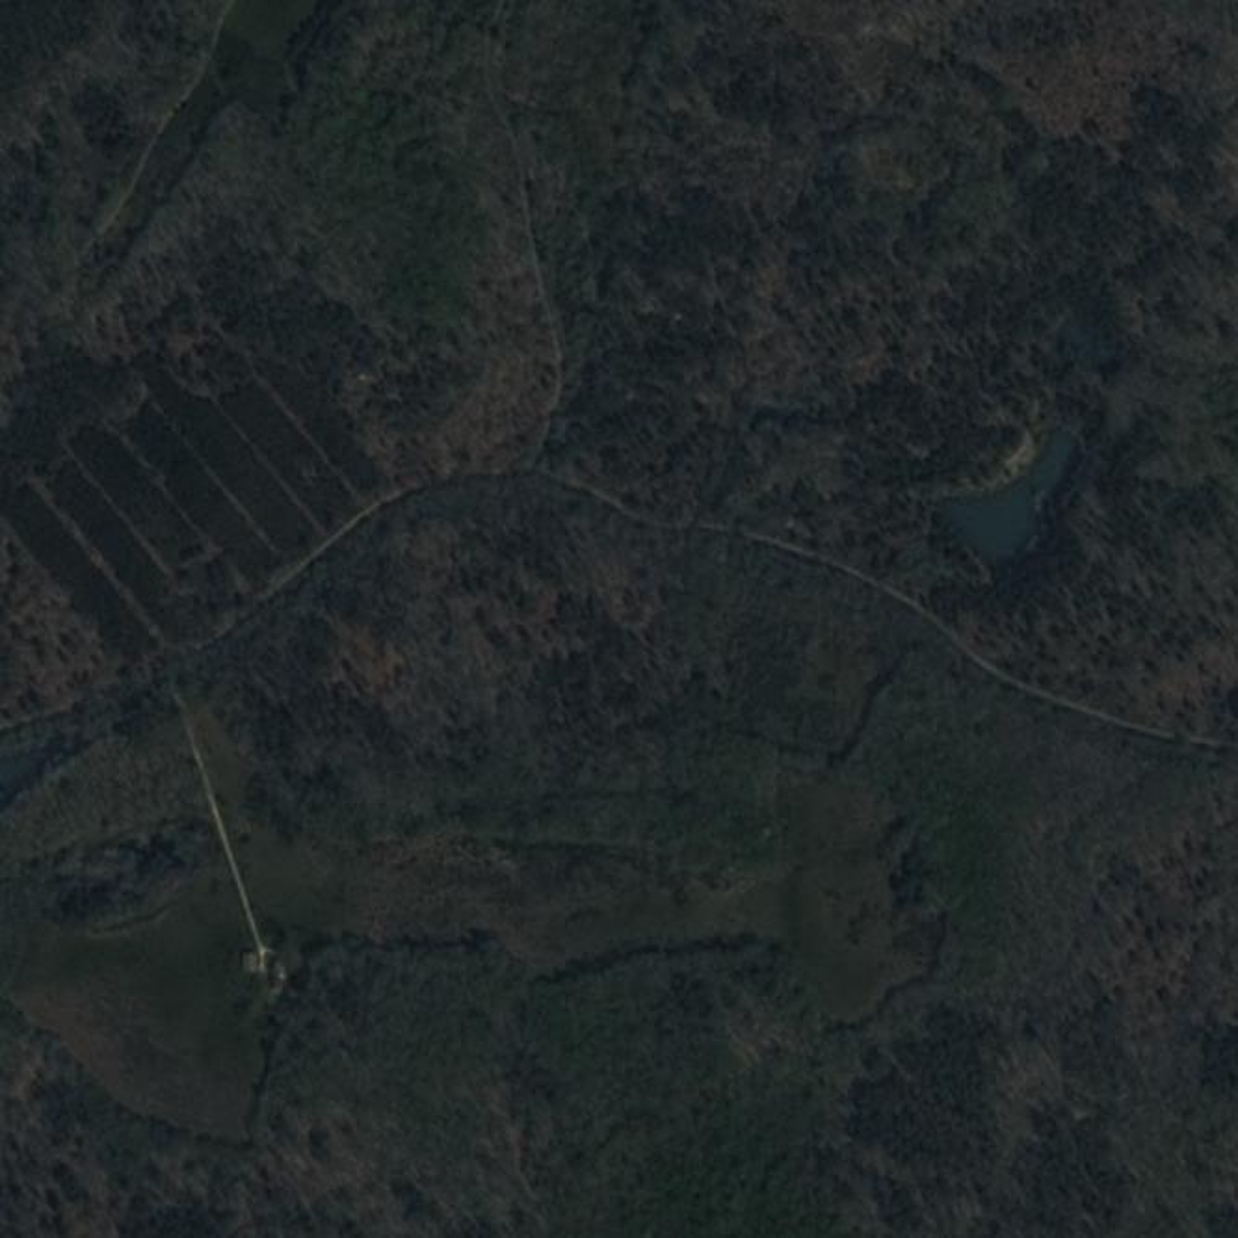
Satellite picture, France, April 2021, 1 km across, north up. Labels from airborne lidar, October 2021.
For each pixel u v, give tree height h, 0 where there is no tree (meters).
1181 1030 15
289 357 21
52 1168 15
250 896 0
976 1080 24
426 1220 25
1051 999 13
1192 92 10
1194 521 18
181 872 19
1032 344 11
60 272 17
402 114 22
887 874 0
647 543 17
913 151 16
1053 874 12
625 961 5
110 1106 12
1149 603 13
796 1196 22
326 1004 22
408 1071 18
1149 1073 20
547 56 9
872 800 11
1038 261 10
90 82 14
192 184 15
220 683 21
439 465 7
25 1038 20
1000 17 8
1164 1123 23
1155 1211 20
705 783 18
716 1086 20
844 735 8
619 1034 22
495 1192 15
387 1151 19
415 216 19
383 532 9
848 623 12
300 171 16
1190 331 30
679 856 19
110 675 14
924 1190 21
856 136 15
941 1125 25
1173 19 8
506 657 21
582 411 9
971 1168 27
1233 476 16
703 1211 13
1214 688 9
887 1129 26
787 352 10
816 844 0
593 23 9
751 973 18
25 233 24
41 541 14
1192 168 19
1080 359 16
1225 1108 22
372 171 19
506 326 11
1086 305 18
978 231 22
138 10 18
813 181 7
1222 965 10
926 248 25
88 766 20
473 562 10
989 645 12
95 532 14
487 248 13
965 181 22
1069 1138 18
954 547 14
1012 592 16
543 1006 20
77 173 6
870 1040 16
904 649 15
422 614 17
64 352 20
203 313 9
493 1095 15
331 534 17
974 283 15
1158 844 12
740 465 10
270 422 15
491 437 16
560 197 11
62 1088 15
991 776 17
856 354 10
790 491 7
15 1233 23
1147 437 22
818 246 17
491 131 7
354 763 15
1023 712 15
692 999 26
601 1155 15
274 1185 20
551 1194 15
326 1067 20
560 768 12
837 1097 15
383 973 14
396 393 22
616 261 20
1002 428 7
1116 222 27
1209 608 15
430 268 17
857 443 17
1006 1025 13
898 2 9
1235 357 12
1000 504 0
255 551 10
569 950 0
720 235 19
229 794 0
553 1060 21
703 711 13
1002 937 16
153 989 0
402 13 16
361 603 17
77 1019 0
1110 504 24
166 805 15
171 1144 23
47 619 11
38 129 19
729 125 19
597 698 7
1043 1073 19
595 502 18
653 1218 14
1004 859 17
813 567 8
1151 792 16
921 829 19
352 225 14
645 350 7
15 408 21
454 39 21
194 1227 19
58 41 25
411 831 18
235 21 0
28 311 15
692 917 0
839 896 0
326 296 15
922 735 26
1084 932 13
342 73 17
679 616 13
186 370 11
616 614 11
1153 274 27
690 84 19
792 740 7
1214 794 14
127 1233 17
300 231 16
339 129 25
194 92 6
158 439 12
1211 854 11
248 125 15
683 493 14
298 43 12
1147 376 18
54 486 14
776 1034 16
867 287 10
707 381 8
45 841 19
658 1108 15
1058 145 8
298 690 18
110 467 15
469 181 18
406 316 24
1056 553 18
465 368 10
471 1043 22
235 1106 0
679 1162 14
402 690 16
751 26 10
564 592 15
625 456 9
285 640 15
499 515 12
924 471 14
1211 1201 14
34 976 0
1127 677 8
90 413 21
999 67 8
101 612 14
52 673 8
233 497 15
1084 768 15
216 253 16
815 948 0
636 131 9
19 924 20
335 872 0
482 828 22
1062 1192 27
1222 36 15
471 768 16
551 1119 15
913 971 0
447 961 19
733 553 17
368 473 11
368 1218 16
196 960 0
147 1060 0
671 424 9
